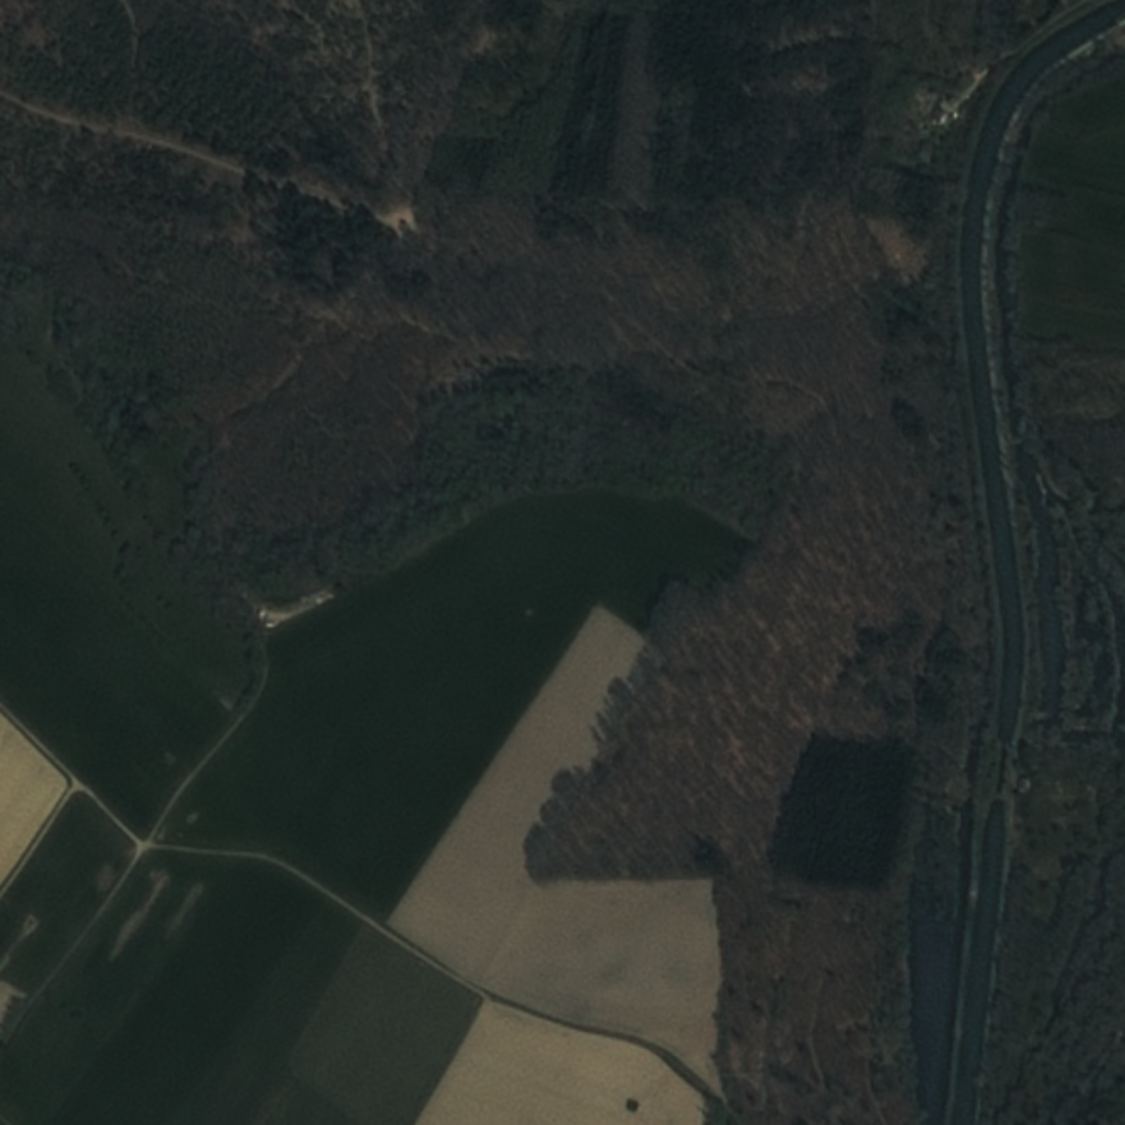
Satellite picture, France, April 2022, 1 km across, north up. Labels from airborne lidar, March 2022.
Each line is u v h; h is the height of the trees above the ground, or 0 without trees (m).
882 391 25
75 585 0
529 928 0
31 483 0
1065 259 0
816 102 15
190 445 0
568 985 0
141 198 7
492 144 10
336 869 0
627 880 25
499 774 0
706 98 26
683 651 31
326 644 0
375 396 10
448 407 21
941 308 28
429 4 8
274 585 17
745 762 0
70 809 0
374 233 29
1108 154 0
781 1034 0
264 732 0
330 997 0
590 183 21
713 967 0
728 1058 12
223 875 0
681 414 14
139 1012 0
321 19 6
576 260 23
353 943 0
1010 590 0
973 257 0
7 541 0
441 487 24
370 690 0
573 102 13
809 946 15
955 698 22
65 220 12
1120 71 17
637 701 31
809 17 19
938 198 32
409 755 0
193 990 0
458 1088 0
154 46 11
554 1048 0
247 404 12
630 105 27
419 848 0
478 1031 0
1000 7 21
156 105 11
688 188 21
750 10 22
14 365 0
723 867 36
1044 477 0
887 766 22
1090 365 0
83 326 15
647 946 0
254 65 12
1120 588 16
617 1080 0
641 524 0
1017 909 20
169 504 0
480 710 0
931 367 21
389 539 23
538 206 24
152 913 0
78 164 7
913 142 20
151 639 0
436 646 0
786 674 0
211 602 12
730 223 18
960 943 0
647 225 30
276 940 0
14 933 0
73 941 0
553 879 28
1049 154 0
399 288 24
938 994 0
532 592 0
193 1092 0
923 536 23
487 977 0
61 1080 0
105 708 0
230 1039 0
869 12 17
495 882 0
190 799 0
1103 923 17
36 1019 0
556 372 31
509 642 0
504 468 19
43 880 0
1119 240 0
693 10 32
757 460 18
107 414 8
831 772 21
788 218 21
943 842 0
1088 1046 15
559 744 0
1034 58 0
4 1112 0
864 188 28
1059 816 0
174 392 14
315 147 14
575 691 0
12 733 0
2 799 0
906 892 19
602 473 18
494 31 19
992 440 0
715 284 22
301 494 11
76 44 7
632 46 24
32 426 0
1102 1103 16
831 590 0
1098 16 0
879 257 24
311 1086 0
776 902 15
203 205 7
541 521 0
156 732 0
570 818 26
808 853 17
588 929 0
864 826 18
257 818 0
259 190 17
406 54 22
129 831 0
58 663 0
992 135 0
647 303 33
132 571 14
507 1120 0
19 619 0
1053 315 0
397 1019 0
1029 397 22
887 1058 21
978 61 11
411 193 15
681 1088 0
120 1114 0
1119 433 18
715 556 0
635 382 16
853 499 26
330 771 0
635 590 0
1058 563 0
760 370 22
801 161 19
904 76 15
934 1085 0
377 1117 0
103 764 0
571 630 0
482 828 0
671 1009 0
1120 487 0
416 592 0
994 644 6
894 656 30
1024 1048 16
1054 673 0
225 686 0
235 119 8
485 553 0
